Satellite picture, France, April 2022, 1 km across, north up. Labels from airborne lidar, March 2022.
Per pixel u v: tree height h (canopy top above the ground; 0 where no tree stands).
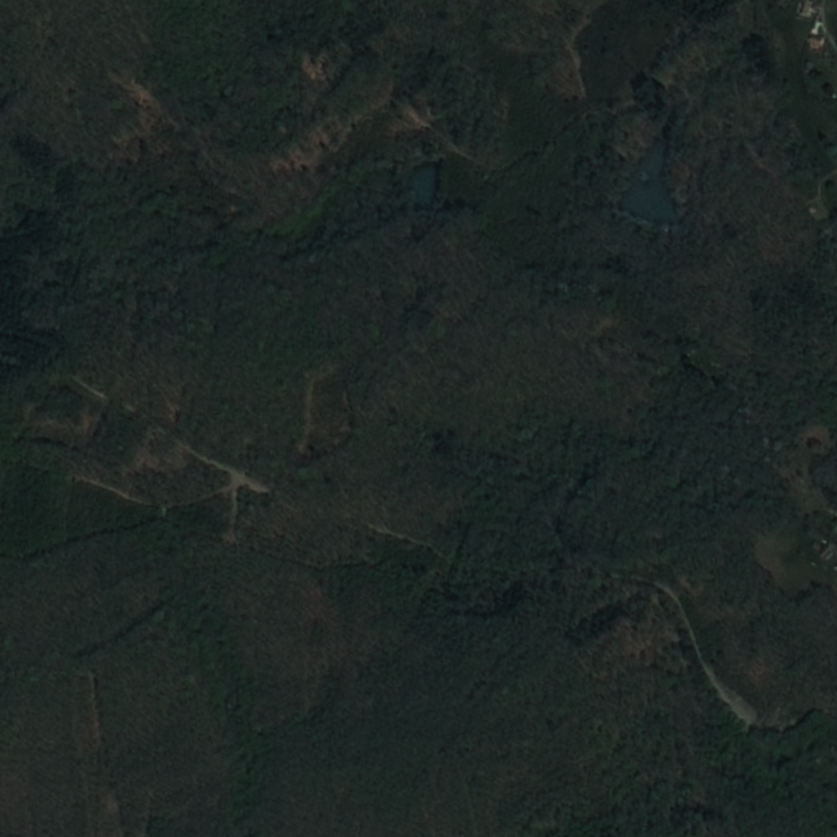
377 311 22
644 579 0
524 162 8
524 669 17
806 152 12
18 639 20
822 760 15
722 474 22
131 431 17
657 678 23
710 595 7
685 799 13
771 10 11
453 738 18
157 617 21
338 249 23
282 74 26
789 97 11
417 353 31
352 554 21
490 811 17
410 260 27
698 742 25
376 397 26
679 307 25
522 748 20
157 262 12
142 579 23
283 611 23
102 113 26
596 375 23
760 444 17
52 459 22
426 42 24
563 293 15
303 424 24
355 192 17
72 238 11
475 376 21
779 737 21
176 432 17
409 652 18
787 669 16
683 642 25
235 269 26
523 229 10
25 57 27
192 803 22
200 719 21
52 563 20
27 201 22
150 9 24
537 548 24
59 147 26
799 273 19
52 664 24
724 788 22
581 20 14
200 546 21
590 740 18
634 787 16
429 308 28
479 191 6
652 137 17
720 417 18
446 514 18
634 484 23
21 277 12
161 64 20
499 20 24
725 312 22
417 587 16
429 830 19
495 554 25
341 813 17
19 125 26
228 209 13
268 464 23
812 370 16
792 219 18
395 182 19
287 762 23
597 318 27
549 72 22
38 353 22
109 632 21
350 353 22
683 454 18
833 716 17
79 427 19
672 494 18
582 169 18
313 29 26
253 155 24
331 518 21
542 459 17
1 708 21
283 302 25
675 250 20
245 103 24
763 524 22
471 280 31
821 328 14
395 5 19
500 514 19
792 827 20
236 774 20
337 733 21
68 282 13
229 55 26
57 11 23
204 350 18
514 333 28
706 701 24
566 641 17
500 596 12
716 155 22
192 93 25
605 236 23
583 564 22
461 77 25
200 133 30
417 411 23
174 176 12
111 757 15
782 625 18
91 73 27
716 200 18
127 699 23
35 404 13
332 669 14
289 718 20
